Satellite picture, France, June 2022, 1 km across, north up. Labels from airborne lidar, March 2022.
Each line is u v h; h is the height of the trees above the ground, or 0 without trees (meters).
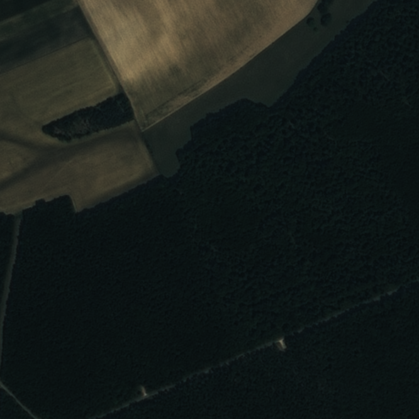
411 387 20
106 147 0
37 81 0
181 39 0
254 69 0
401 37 20
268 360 20
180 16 0
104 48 0
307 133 25
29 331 16
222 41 0
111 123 16
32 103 0
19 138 0
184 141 0
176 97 0
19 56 0
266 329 22
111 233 20
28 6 0
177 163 0
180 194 22
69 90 0
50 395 18
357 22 17
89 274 20
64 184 0
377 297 0
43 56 0
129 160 0
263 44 0
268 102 0
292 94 14
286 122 28
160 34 0
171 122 0
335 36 0
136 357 20
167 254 23
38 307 19
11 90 0
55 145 0
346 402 18
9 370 16
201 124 15
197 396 22
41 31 0
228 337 19
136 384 15
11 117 0
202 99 0
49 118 0
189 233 16
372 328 18
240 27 0
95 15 0
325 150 21
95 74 0
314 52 0
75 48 0
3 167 0
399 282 24
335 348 19
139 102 0
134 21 0
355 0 0
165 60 0
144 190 19
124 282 21
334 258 25
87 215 17
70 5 0
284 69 0
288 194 26
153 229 20
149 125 0
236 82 0
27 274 21
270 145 25
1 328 0
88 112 17
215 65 0
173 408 18
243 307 26
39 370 17
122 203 24
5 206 0
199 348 20
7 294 0
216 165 18
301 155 24
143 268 22
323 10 18
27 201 0
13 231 15
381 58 8
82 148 0
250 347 17
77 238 21
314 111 24
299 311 25
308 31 0
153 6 0
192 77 0
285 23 0
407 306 24
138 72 0
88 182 0
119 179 0
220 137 24
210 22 0
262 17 0
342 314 0
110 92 0
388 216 0
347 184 21
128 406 0
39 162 0
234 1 0
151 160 0
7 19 0
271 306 23
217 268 22
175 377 19
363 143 11
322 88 25
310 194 19
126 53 0
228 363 0
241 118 23
